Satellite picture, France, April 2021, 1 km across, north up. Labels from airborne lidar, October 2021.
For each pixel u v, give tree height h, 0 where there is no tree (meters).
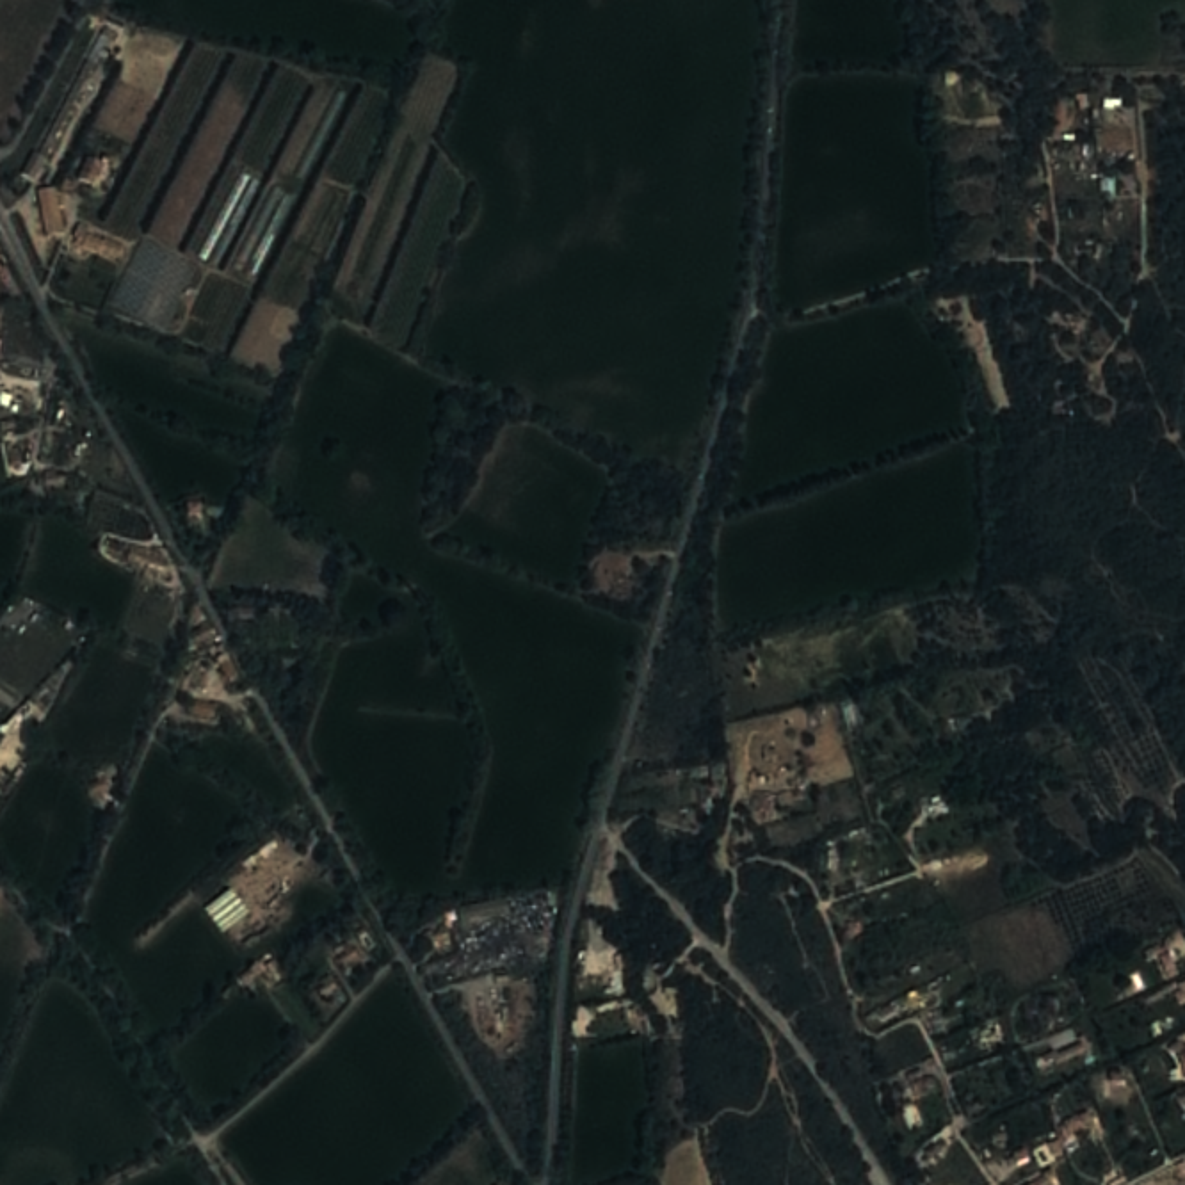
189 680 0
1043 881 14
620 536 6
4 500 6
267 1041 0
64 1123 0
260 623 19
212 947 0
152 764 0
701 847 6
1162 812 6
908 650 0
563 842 0
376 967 10
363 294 0
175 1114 16
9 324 0
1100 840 11
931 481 0
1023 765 6
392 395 0
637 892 8
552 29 0
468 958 0
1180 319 6
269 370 9
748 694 0
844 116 0
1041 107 12
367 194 10
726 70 0
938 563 0
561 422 11
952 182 8
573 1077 7
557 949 7
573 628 0
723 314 0
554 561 0
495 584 0
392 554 0
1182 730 13
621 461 9
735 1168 0
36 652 0
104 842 16
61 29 8
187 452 0
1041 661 7
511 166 0
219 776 7
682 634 6
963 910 0
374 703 0
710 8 0
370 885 17
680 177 0
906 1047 0
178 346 12
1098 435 7
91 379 11
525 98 0
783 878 7
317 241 0
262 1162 0
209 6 0
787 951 0
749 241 9
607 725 0
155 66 0
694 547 6
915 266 0
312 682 12
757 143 6
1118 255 6
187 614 7
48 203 0
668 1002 0
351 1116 0
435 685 0
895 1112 10
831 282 0
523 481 0
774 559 0
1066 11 0
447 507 9
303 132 0
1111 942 12
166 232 0
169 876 0
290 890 0
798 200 0
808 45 0
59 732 0
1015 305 14
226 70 10
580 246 0
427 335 6
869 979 15
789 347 0
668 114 0
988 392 6
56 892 0
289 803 0
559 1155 9
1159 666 6
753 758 0
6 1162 0
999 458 9
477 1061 8
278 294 0
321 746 0
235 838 9
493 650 0
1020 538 7
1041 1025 13
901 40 0
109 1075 0
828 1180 0
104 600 0
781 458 0
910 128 0
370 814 0
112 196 8
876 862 0
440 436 12
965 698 6
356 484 0
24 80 0
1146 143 0
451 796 0
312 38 0
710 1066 0
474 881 0
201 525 8
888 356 0
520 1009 0
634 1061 0
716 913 6
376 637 14
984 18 6
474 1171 0
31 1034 0
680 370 0
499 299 0
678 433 0
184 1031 8
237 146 8
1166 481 6
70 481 12
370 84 15
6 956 0
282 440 17
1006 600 11
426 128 0
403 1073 0
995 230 0
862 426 0
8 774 9
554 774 0
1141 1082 6
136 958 0
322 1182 0
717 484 10
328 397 0
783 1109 0
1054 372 11
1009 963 0
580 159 0
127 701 0
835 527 0
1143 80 6
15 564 0
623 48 0
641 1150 12
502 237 0
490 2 0
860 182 0
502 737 0
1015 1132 9
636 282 0
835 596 0
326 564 0
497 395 9
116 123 0
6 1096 0
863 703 24
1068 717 21
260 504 15
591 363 0
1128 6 0
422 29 15
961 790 16
